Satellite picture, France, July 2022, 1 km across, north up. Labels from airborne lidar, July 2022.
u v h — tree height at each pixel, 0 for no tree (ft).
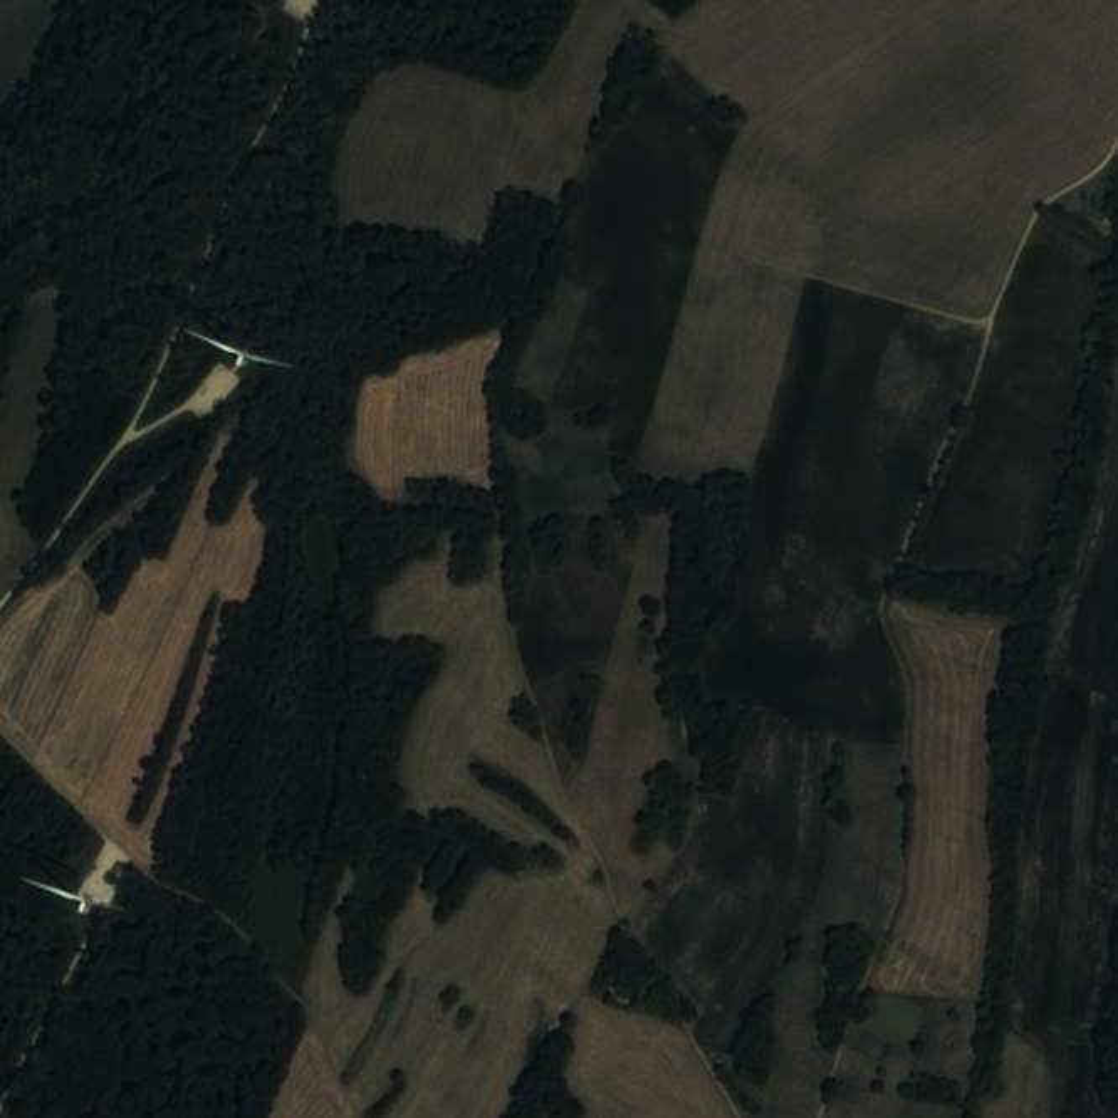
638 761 0
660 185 0
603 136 51
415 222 0
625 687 0
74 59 111
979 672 0
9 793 58
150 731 0
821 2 0
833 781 47
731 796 44
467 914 0
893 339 0
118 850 0
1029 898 0
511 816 0
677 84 0
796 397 0
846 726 0
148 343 56
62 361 69
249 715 47
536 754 0
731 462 0
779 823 0
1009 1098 0
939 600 55
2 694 0
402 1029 0
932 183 0
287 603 64
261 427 56
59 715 0
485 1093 0
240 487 56
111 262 50
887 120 0
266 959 54
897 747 0
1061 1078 0
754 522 0
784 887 0
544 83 0
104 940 73
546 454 0
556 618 0
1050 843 0
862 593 0
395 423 0
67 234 78
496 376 46
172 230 68
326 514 52
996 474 0
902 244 0
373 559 70
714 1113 0
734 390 0
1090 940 0
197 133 62
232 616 55
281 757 62
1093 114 0
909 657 0
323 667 48
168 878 47
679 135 0
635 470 52
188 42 89
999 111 0
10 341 53
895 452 0
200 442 52
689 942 0
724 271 0
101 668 0
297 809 47
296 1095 0
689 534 63
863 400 0
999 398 0
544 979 0
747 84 0
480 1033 0
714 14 0
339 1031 0
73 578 0
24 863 24
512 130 0
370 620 48
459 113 0
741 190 0
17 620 0
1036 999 0
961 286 0
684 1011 43
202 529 0
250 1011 75
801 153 0
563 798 0
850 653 0
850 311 0
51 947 34
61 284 68
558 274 63
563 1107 57
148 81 64
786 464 0
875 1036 0
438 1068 0
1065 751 0
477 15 75
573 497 0
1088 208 0
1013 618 42
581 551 0
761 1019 70
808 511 0
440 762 0
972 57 0
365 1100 0
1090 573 0
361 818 67
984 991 17
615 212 0
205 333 21
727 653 0
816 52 0
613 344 0
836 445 0
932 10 0
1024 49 0
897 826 0
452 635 0
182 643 0
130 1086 49
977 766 0
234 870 53
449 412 0
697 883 0
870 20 0
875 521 0
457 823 63
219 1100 62
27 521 26
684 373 0
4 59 0
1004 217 0
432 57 61
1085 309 0
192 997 57
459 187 0
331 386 72
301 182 41
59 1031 89
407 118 0
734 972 0
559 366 0
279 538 48
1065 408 0
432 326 58
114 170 63
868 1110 0
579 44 0
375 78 58
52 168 60
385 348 53
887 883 0
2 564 0
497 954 0
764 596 0
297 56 0
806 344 0
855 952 53
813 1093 0
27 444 0
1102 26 0
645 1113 0
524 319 66
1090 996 0
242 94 66
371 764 80
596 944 0
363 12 59
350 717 62
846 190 0
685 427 0
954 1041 0
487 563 26
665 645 58
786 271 0
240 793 47
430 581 0
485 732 0
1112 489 0
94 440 20
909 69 0
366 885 0
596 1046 0
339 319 65
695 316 0
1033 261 0
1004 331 0
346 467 21
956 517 0
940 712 0
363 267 81
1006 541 0
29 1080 73
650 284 0
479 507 30
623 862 0
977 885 0
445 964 0
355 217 0
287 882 0
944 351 0
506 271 82
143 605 0
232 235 65
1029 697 83
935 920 0
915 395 0
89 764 0
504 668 0
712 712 62
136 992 74
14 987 87
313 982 0
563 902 0
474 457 0
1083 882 0
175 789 44
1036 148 0
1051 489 0
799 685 0
